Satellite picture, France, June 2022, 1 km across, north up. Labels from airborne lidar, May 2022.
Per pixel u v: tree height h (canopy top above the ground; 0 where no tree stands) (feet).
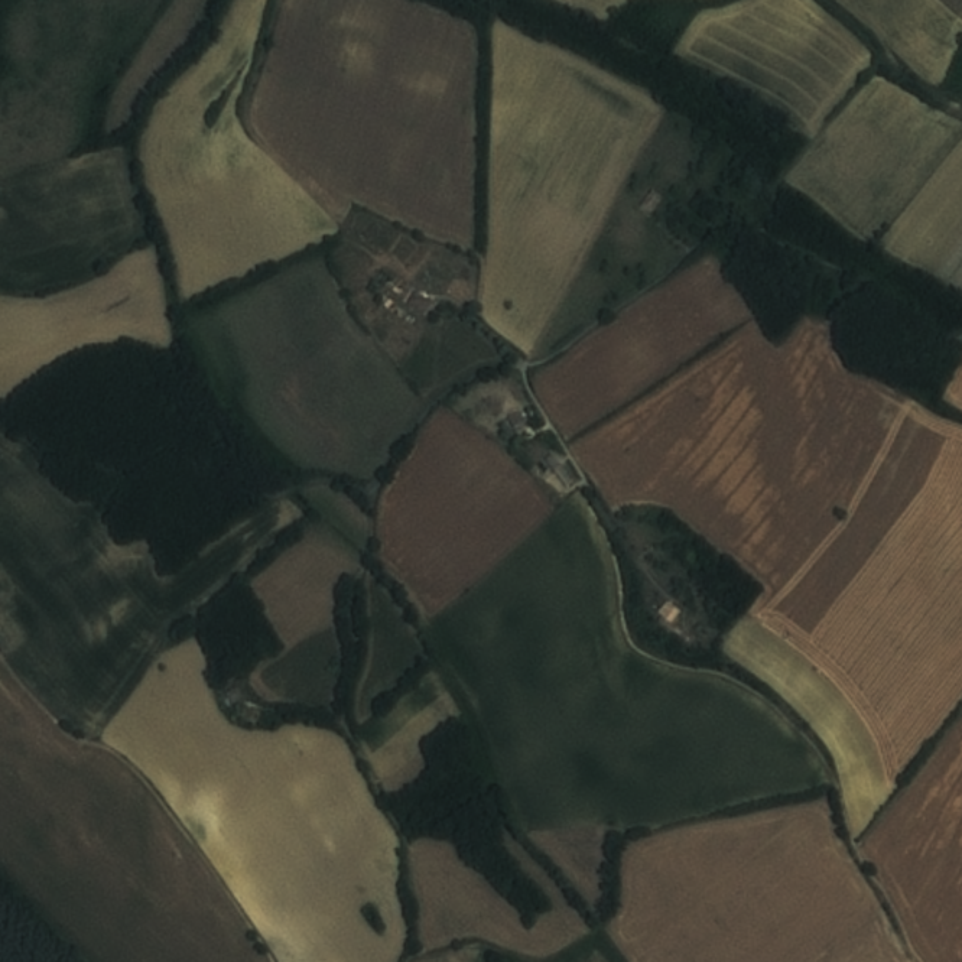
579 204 0
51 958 71
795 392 0
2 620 0
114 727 0
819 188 0
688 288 0
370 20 0
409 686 60
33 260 0
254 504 61
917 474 0
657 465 0
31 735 0
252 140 0
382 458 0
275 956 0
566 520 0
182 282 0
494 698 0
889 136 0
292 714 45
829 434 0
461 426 0
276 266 46
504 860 86
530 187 0
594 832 0
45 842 0
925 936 0
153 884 0
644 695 0
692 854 0
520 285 0
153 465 48
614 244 0
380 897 0
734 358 0
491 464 0
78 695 0
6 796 0
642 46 35
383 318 0
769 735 0
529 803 0
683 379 0
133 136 69
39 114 0
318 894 0
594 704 0
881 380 32
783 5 0
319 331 0
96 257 0
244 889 0
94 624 0
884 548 0
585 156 0
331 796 0
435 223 0
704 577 54
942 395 46
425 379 0
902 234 0
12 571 0
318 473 26
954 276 0
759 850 0
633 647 0
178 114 0
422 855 0
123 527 45
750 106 105
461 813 59
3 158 0
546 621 0
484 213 23
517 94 0
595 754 0
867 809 0
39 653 0
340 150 0
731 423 0
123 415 54
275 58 0
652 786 0
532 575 0
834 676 0
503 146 0
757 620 0
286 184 0
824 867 0
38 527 0
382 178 0
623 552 27
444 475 0
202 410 78
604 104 0
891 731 0
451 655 0
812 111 0
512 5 36
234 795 0
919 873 0
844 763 0
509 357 44
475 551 0
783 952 0
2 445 0
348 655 55
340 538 0
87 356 53
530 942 0
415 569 0
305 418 0
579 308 0
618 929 0
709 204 49
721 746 0
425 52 0
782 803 21
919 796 0
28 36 0
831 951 0
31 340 0
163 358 62
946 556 0
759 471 0
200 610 28
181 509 51
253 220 0
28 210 0
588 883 0
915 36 0
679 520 21
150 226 61
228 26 0
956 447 0
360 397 0
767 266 39
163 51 0
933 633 0
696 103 44
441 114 0
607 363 0
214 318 0
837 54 0
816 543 0
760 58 0
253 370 0
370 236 0
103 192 0
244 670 43
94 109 23
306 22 0
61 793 0
